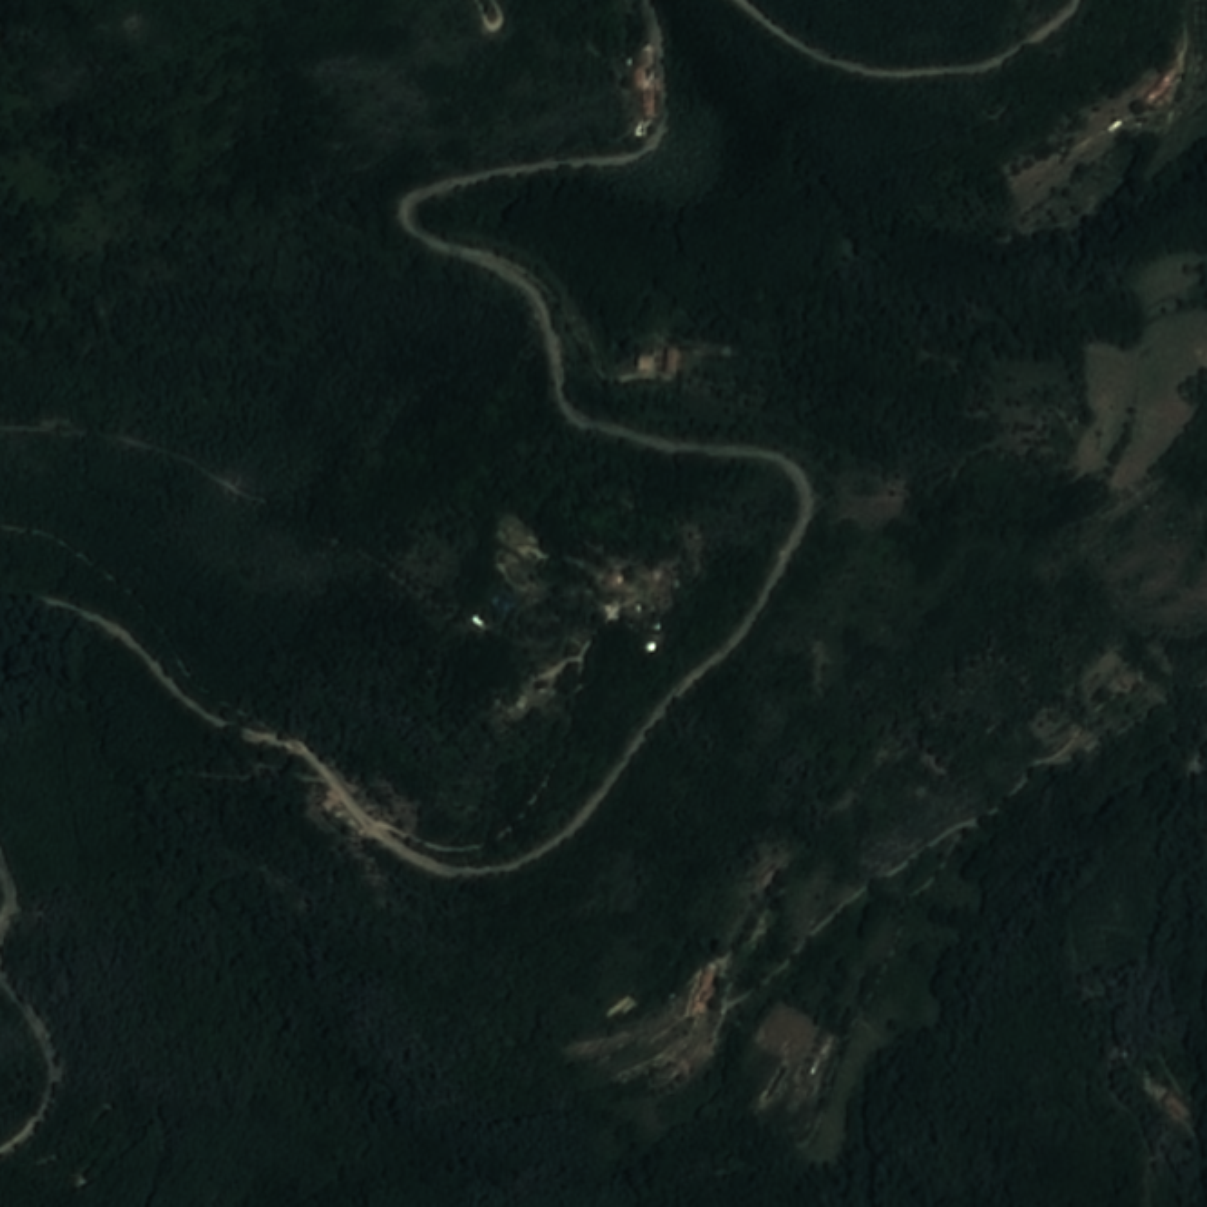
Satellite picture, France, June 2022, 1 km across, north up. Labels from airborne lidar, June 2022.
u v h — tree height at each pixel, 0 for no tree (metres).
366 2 9
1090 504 9
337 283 9
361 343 13
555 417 12
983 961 15
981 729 8
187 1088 18
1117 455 8
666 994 9
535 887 8
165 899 19
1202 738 21
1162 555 0
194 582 10
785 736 6
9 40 21
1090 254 22
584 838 8
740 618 7
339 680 15
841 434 11
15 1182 17
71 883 8
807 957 7
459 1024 10
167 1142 12
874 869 0
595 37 8
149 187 8
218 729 7
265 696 13
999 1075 8
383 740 14
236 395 9
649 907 12
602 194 13
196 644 10
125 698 11
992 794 7
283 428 8
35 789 9
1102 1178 14
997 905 21
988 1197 17
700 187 9
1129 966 5
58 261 11
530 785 9
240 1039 19
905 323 19
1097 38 11
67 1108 20
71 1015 17
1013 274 13
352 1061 18
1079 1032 10
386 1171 19
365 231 12
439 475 13
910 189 15
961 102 8
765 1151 19
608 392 7
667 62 11
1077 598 7
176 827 20
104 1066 21
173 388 10
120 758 11
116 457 9
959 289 18
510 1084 10
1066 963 11
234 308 8
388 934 13
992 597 8
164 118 11
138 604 10
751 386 8
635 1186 29
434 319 12
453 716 8
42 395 7
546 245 13
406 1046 17
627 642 9
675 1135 11
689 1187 12
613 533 7
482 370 8
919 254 21
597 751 10
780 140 15
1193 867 26
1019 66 15
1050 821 17
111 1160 17
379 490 13
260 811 8
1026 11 7
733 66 13
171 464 6
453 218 11
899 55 7
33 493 11
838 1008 8
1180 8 13
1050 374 0
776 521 6
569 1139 30
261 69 8
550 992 8
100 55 8
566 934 9
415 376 8
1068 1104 13
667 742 13
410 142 7
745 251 22
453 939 10
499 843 9
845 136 14
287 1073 20
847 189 15
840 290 13
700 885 8
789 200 17
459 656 7
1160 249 16
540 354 7
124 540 11
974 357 8
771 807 13
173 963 22
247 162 13
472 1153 33
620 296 14
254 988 26
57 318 7
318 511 15
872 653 8
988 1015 14
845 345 8
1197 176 26
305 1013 25
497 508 12
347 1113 19
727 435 6
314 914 9
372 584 6
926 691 7
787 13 13
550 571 10
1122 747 13
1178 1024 23
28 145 7
